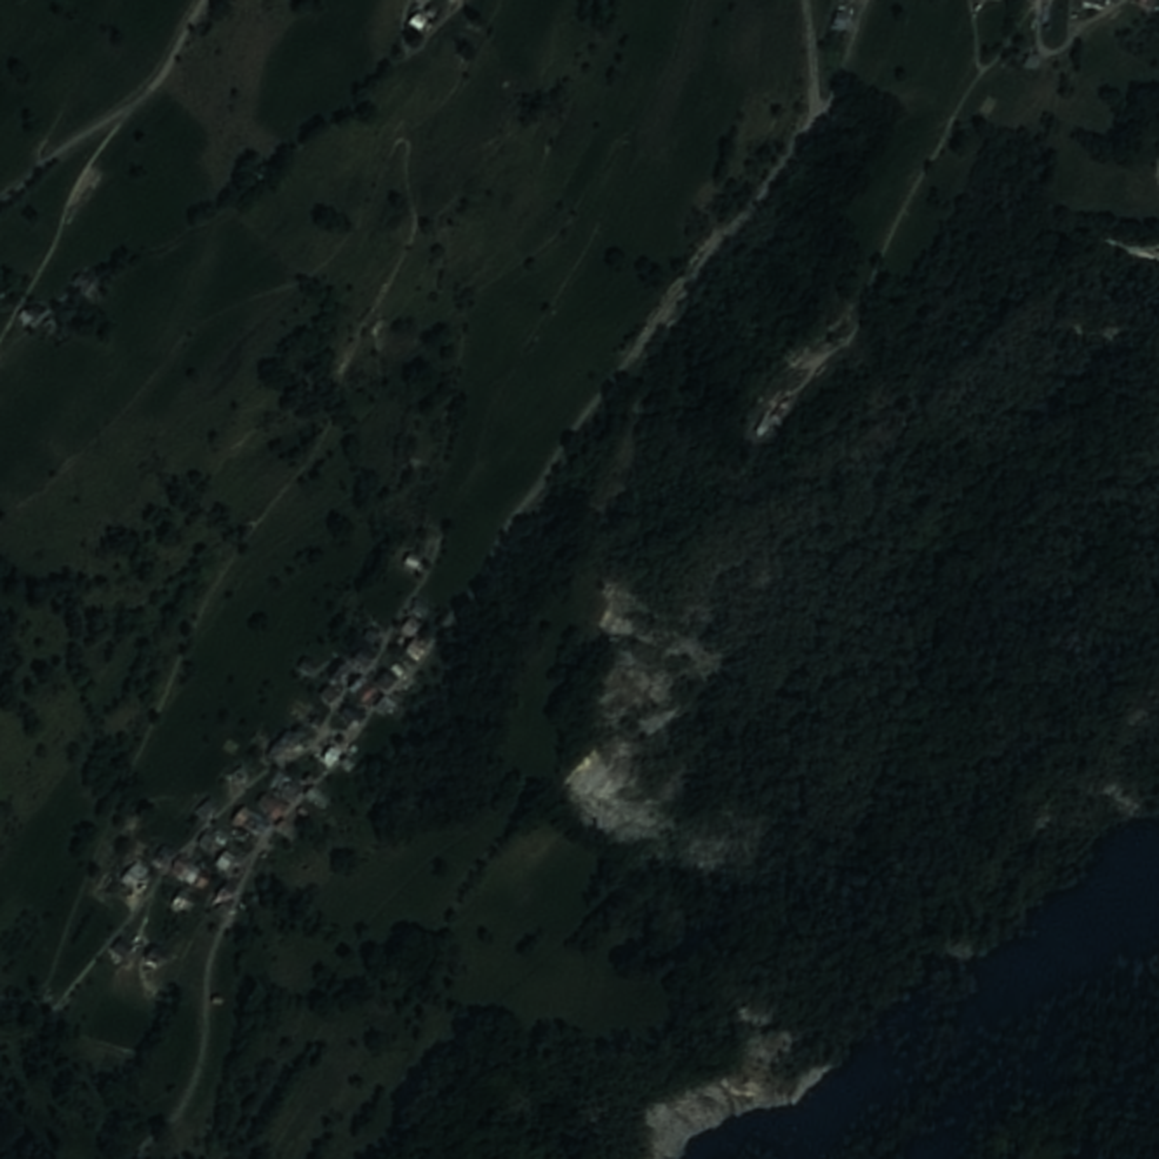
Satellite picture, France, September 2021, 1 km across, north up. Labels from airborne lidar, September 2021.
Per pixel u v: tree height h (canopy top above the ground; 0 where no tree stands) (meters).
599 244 0
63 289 0
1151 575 23
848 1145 38
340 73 0
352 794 0
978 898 13
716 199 8
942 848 24
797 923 34
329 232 13
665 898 25
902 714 26
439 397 15
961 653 25
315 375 16
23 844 0
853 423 11
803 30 0
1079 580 26
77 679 16
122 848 14
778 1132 24
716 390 21
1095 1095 34
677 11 0
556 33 0
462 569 0
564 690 12
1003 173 10
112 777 15
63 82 0
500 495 0
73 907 0
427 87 0
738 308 28
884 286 16
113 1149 18
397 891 0
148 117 0
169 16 0
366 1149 0
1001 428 24
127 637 12
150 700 17
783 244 18
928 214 0
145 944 0
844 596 26
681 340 20
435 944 16
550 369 0
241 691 0
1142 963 19
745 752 25
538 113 14
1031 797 23
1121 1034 33
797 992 17
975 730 24
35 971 0
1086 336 12
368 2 0
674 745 10
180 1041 0
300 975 0
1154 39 7
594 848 17
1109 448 20
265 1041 8
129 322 0
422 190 0
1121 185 0
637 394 18
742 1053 9
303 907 21
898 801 27
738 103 0
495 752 24
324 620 0
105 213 0
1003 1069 30
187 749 0
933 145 0
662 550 31
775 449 11
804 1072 16
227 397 0
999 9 0
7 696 21
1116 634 20
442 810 34
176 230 0
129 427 0
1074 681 21
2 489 0
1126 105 14
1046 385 29
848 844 25
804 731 26
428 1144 31
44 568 0
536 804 20
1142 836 23
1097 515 30
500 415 0
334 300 13
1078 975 28
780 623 25
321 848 12
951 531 29
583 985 0
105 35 10
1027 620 23
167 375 0
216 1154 12
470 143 0
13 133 0
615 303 0
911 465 12
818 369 0
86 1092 16
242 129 0
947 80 0
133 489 0
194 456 0
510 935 0
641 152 0
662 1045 17
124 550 21
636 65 0
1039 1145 16
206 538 0
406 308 0
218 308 0
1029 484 17
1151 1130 32
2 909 0
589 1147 22
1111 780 13
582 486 12
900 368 10
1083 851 18
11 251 0
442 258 12
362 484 16
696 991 22
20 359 0
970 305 17
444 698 14
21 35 0
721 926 25
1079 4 0
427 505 9
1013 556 19
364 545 0
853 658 27
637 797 0
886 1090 26
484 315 0
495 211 0
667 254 0
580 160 0
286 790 0
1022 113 0
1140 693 8
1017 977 20
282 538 0
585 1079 20
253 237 0
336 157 0
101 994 0
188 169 0
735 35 0
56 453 0
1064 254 21
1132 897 25
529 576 23
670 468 15
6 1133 31
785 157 13
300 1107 0
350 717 0
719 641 20
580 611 0
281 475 0
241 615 0
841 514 22
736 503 11
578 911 0
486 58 0
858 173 23
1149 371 23
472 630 18
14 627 20
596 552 19
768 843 10
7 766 0
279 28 0
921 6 0
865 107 24
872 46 0
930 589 24
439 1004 10
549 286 0
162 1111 0
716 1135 10
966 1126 38
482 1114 10
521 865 0
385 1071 0
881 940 26
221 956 0
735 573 14
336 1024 0
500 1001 0
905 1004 22
